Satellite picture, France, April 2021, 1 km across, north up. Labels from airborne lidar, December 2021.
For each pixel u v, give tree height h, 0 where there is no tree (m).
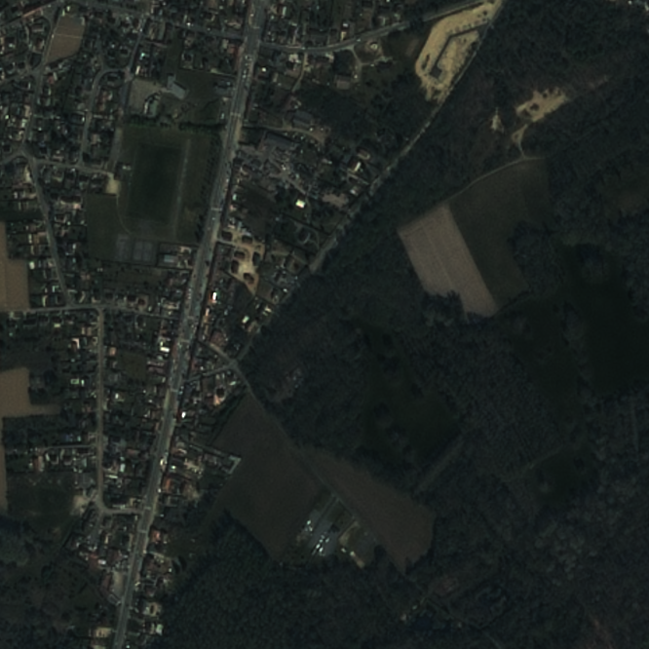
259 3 0
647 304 22
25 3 0
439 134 14
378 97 6
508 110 12
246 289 19
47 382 15
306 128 8
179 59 0
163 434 0
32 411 0
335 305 24
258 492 0
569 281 0
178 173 0
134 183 0
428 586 17
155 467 0
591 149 17
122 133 0
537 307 0
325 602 24
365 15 0
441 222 0
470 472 28
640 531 20
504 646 8
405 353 26
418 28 19
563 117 19
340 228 0
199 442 0
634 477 32
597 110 13
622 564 25
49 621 9
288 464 0
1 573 20
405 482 25
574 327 27
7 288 0
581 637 26
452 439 6
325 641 25
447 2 20
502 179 0
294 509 0
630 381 0
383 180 15
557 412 0
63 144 6
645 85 18
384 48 0
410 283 21
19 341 7
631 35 10
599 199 34
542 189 0
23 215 0
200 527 19
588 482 0
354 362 15
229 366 0
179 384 0
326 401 19
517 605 24
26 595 12
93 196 0
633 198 0
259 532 0
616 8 11
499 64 16
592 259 37
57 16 7
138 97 0
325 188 8
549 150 17
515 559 37
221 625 29
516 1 17
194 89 0
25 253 0
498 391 30
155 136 0
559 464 0
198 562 0
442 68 0
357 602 22
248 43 0
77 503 0
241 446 0
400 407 0
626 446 8
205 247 0
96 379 0
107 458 8
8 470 7
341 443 18
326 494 0
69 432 6
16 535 34
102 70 0
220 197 0
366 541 0
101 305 0
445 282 0
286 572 16
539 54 6
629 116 15
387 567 17
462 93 20
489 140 0
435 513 22
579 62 16
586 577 18
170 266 0
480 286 0
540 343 0
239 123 0
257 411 0
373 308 27
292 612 10
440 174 22
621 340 0
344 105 8
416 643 22
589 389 20
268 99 6
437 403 0
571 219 29
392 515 0
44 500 0
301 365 24
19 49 0
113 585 0
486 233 0
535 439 27
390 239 22
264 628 29
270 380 19
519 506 25
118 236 0
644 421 26
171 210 0
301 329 20
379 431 0
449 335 32
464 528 23
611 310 0
